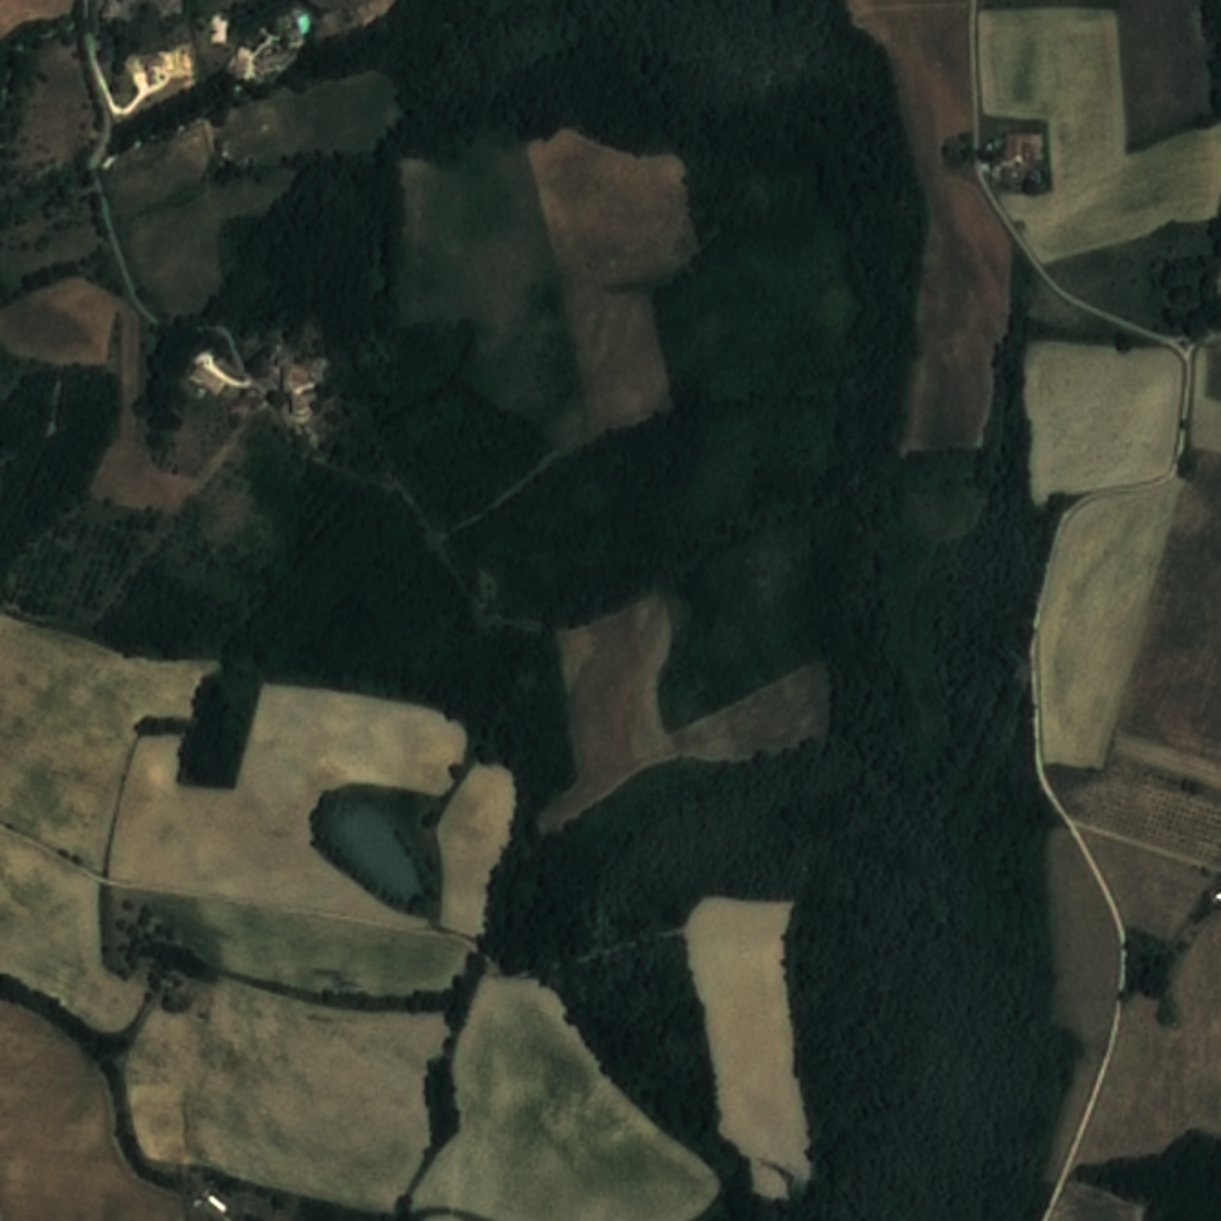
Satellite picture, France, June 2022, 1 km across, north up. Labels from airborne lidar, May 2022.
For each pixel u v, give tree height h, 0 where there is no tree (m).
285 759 0
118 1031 0
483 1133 0
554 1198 0
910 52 0
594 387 0
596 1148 0
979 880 10
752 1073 0
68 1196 0
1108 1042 0
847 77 9
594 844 9
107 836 0
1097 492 0
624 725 0
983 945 9
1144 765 0
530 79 14
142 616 9
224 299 9
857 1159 12
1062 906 0
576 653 0
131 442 0
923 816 14
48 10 0
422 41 7
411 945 0
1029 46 0
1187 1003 0
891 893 14
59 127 0
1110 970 0
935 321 0
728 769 11
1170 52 0
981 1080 8
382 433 9
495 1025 0
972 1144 6
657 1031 14
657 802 7
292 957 0
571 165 0
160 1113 0
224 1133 0
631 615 0
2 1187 0
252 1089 0
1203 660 0
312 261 6
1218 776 0
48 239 6
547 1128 0
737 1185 12
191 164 0
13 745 0
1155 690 0
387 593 9
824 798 8
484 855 0
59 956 0
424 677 7
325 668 9
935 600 6
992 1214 12
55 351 0
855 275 10
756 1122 0
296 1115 0
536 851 8
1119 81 0
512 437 7
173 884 0
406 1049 0
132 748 0
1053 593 0
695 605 8
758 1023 0
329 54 13
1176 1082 0
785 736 0
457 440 7
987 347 0
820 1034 11
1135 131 0
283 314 13
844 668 11
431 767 0
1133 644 0
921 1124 8
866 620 15
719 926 0
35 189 7
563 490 8
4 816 0
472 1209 0
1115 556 0
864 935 18
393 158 9
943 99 0
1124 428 0
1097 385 0
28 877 0
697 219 10
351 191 14
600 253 0
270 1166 0
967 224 0
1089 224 0
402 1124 0
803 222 9
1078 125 0
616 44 21
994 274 0
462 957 0
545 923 16
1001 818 16
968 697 11
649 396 0
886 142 16
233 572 6
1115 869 0
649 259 0
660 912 7
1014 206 0
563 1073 0
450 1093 7
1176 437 0
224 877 0
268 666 6
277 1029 0
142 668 0
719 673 8
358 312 13
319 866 0
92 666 0
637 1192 0
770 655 6
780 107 14
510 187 0
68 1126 0
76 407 11
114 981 0
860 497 17
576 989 13
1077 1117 0
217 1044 0
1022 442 11
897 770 10
